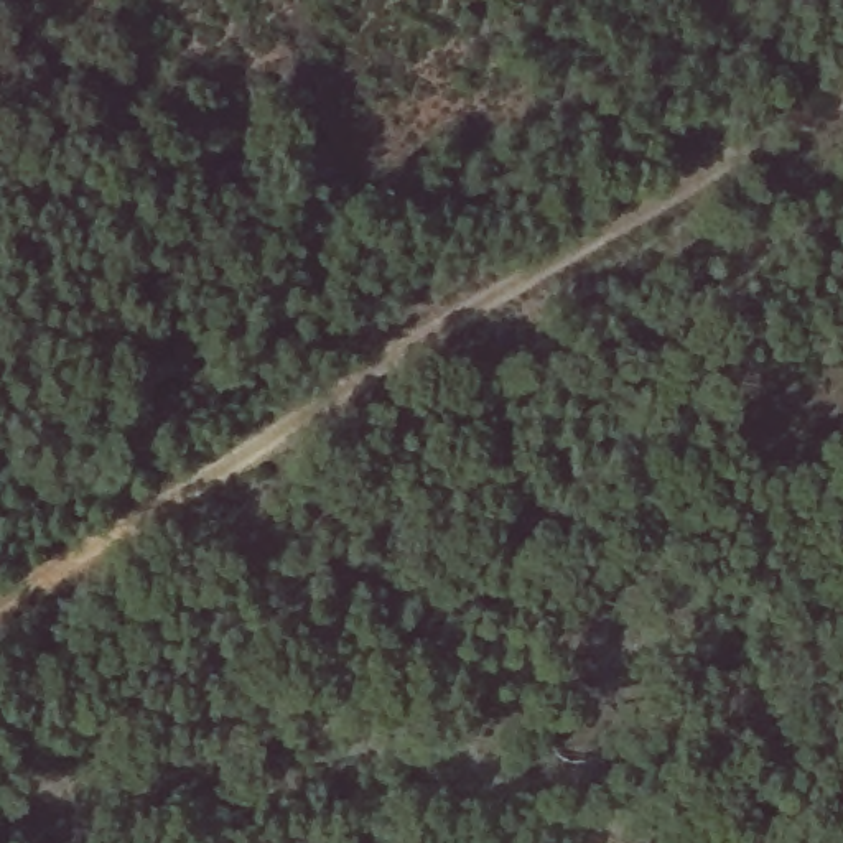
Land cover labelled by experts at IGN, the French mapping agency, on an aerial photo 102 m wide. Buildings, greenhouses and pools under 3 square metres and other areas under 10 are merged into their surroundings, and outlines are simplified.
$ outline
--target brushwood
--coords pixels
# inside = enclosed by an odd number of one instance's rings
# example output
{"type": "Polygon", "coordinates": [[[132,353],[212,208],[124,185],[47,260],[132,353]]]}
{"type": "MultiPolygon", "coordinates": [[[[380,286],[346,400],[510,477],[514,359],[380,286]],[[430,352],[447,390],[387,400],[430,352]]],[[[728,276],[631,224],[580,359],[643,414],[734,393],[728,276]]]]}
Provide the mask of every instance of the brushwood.
{"type": "Polygon", "coordinates": [[[497,135],[514,135],[514,119],[537,105],[537,63],[527,59],[524,49],[524,36],[537,23],[537,7],[530,0],[184,0],[181,10],[194,23],[191,40],[201,40],[204,53],[217,53],[224,59],[247,66],[250,112],[260,109],[270,92],[290,92],[296,63],[342,63],[352,72],[366,109],[382,119],[382,165],[389,171],[398,168],[422,145],[451,142],[451,132],[464,112],[481,112],[497,135]]]}

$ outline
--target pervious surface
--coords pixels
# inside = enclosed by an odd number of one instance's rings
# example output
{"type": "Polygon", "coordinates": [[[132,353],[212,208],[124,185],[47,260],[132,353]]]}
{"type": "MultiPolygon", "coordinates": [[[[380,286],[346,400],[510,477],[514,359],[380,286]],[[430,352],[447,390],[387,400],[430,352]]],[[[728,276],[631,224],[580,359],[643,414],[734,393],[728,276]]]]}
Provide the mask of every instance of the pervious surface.
{"type": "Polygon", "coordinates": [[[501,310],[524,290],[533,290],[537,283],[563,273],[566,267],[593,257],[606,244],[626,237],[629,231],[715,188],[738,165],[751,161],[754,148],[748,142],[724,145],[715,165],[682,178],[682,184],[672,194],[642,201],[636,211],[603,227],[596,237],[583,237],[576,247],[560,250],[543,267],[507,273],[491,286],[458,296],[461,306],[484,313],[501,310]]]}
{"type": "Polygon", "coordinates": [[[148,501],[135,501],[135,510],[128,517],[89,537],[79,550],[30,570],[30,576],[7,583],[0,589],[0,606],[16,609],[20,599],[33,589],[53,589],[63,580],[89,570],[119,540],[135,537],[158,517],[168,517],[168,501],[201,497],[214,481],[227,481],[267,461],[319,412],[349,405],[352,392],[366,379],[395,372],[412,346],[445,329],[445,319],[431,313],[405,336],[392,339],[379,362],[359,362],[359,356],[352,356],[352,372],[342,375],[329,392],[319,392],[293,405],[273,425],[244,438],[217,461],[201,464],[198,471],[188,471],[184,477],[165,484],[148,501]]]}
{"type": "Polygon", "coordinates": [[[803,128],[823,128],[836,119],[843,102],[843,99],[817,89],[807,95],[803,105],[803,128]]]}

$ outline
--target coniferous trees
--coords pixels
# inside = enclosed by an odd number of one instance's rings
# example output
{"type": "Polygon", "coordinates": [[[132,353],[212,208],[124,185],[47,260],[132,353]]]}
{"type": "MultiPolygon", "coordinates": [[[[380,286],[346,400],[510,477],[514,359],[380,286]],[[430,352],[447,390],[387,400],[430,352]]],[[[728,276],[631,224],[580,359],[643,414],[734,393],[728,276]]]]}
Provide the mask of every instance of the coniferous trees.
{"type": "Polygon", "coordinates": [[[244,438],[273,425],[293,405],[319,392],[329,392],[342,375],[352,372],[352,356],[359,356],[359,362],[379,362],[392,339],[405,336],[431,313],[445,319],[445,329],[412,346],[395,372],[366,379],[352,392],[349,405],[319,412],[267,461],[227,481],[214,481],[201,497],[168,501],[168,517],[158,517],[135,537],[119,540],[89,570],[63,580],[53,589],[33,589],[20,599],[16,609],[0,606],[0,843],[843,843],[843,102],[836,119],[823,128],[803,128],[803,105],[807,95],[817,89],[843,99],[843,0],[530,0],[537,7],[537,23],[524,36],[524,49],[527,59],[537,63],[537,105],[514,119],[514,135],[497,135],[481,112],[464,112],[451,132],[451,142],[422,145],[398,168],[389,171],[382,165],[382,119],[366,109],[352,72],[342,63],[296,63],[290,92],[270,92],[260,109],[250,112],[247,66],[224,59],[217,53],[204,53],[201,40],[191,40],[194,23],[181,10],[184,0],[0,0],[0,589],[7,583],[30,576],[30,570],[79,550],[89,537],[128,517],[135,510],[135,501],[148,501],[165,484],[184,477],[188,471],[198,471],[201,464],[217,461],[244,438]],[[524,290],[501,310],[484,313],[461,306],[458,296],[491,286],[507,273],[543,267],[560,250],[576,247],[583,237],[596,237],[603,227],[636,211],[642,201],[672,194],[682,184],[682,178],[715,165],[724,145],[748,142],[754,148],[751,161],[738,165],[715,188],[629,231],[626,237],[606,244],[593,257],[566,267],[563,273],[537,283],[533,290],[524,290]]]}

